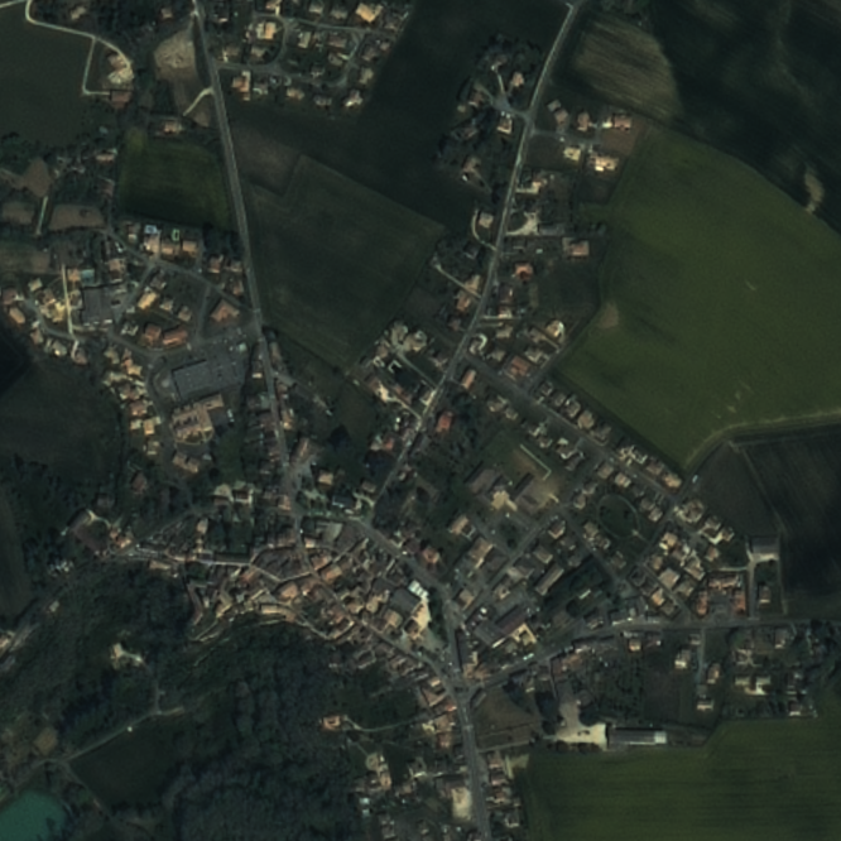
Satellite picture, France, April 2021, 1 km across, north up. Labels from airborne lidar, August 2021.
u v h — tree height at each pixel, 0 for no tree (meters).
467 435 9
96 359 13
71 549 18
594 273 0
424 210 0
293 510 0
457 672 0
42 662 22
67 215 0
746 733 0
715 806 0
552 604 10
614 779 0
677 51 0
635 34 0
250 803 27
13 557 0
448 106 0
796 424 0
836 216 0
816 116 0
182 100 0
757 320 0
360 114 0
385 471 23
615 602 6
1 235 11
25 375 0
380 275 0
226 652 9
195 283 0
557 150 0
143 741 0
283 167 0
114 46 16
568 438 0
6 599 0
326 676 15
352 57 0
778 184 0
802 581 0
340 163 0
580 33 0
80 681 14
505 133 5
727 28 0
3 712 17
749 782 0
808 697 12
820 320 0
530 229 0
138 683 11
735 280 0
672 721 0
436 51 0
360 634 0
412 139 0
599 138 0
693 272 0
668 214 0
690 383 0
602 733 0
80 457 0
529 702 13
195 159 0
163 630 11
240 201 0
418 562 8
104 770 0
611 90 0
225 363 0
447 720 0
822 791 0
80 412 0
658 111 0
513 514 0
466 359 7
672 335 0
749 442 0
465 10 0
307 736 15
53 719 17
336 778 9
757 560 0
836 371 0
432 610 11
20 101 0
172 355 0
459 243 10
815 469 0
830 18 0
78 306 0
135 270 10
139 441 0
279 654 13
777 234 0
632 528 0
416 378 11
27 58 0
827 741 0
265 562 0
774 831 0
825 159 0
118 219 11
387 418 9
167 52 0
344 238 0
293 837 16
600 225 7
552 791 0
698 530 0
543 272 7
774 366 0
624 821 0
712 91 0
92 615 24
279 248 0
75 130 0
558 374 0
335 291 0
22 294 0
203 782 26
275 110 0
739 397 0
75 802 19
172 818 0
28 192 10
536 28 0
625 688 7
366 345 0
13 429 0
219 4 7
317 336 0
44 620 11
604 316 0
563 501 0
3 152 8
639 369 0
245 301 7
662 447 0
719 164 0
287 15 7
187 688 8
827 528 0
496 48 16
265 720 19
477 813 0
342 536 0
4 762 8
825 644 6
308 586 0
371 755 0
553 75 0
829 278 0
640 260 0
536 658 0
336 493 11
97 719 32
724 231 0
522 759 0
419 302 0
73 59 0
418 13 0
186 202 0
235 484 0
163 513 17
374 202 0
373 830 0
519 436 0
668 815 0
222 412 0
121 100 0
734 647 11
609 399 0
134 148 0
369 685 7
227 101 0
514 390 0
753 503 0
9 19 0
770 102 0
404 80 0
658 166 0
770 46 0
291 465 7
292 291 0
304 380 0
